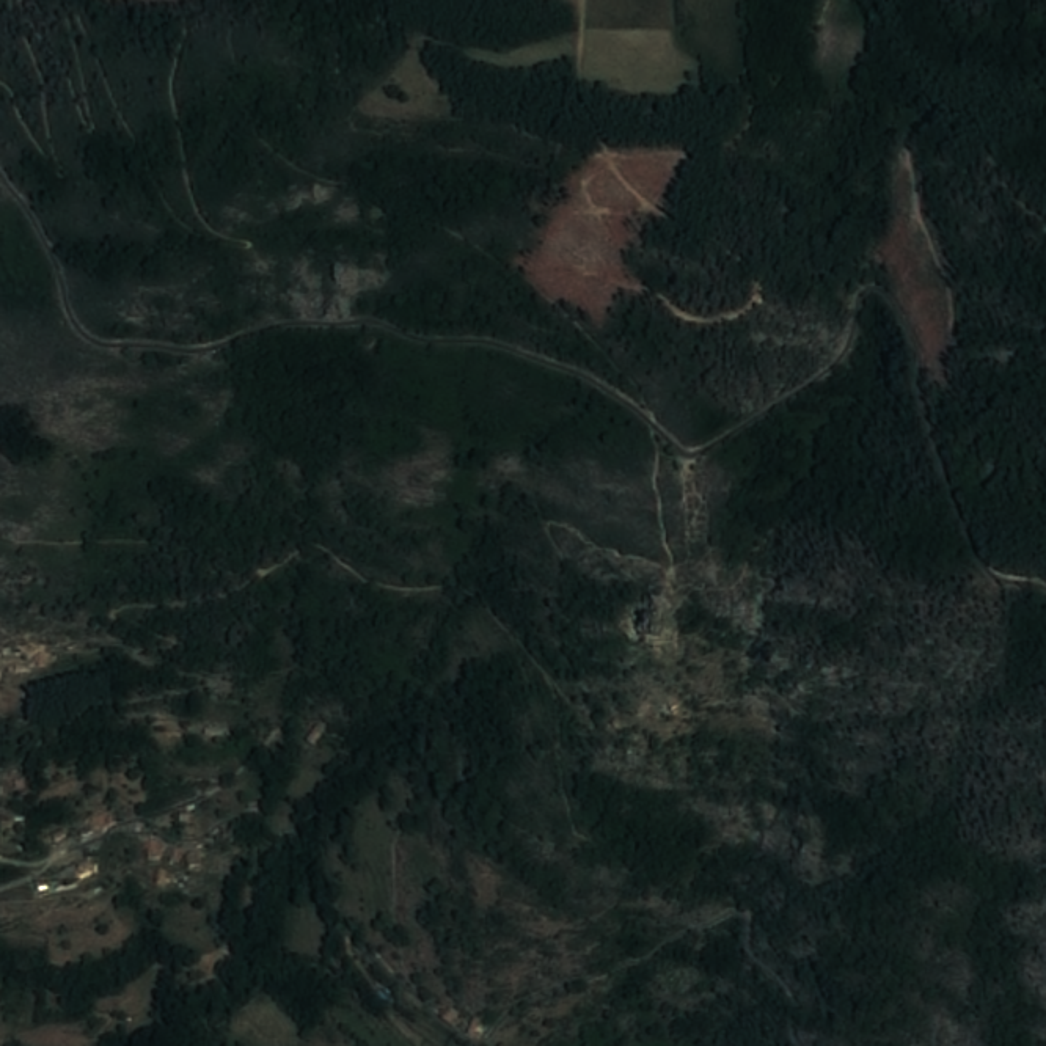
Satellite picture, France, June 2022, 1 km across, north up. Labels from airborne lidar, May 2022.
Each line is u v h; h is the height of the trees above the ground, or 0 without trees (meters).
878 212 26
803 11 18
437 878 8
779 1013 13
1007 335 9
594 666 6
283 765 33
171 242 8
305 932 0
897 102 33
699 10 0
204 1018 9
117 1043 14
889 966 8
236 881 17
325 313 6
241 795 11
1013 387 12
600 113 25
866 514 16
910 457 14
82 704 29
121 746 18
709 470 0
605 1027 12
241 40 0
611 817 18
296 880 25
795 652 11
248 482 9
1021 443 15
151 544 15
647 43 0
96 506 11
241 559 16
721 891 11
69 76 9
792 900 9
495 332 6
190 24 11
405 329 15
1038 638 17
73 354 0
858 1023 10
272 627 10
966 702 13
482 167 13
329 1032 0
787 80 17
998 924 12
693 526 0
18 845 9
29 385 0
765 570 11
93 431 0
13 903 0
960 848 12
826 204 26
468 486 0
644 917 11
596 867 6
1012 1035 11
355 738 10
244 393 14
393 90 11
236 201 0
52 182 8
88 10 15
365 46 9
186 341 10
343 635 13
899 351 29
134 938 10
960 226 8
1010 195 11
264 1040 0
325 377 20
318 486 10
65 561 0
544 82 19
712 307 7
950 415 16
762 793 20
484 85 19
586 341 7
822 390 15
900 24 27
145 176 9
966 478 12
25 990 10
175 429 0
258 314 12
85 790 7
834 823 10
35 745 11
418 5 23
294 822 16
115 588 10
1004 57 20
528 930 0
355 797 19
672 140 27
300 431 18
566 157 0
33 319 0
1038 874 8
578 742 9
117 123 11
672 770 9
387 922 13
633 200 0
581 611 11
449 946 13
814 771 15
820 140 8
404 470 0
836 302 14
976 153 28
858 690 13
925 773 8
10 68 6
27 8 8
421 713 29
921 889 11
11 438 13
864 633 7
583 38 0
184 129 7
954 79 26
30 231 0
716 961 12
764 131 10
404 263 8
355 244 7
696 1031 20
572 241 0
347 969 13
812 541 15
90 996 13
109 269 6
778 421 16
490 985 6
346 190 7
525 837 6
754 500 13
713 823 13
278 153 7
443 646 9
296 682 11
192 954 16
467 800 12
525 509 6
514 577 15
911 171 0
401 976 7
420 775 8
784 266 27
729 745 18
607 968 10
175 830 6
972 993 13
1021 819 7
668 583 0
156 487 17
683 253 23
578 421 7
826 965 7
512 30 23
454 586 14
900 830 7
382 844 0
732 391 9
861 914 8
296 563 11
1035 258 9
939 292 0
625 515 0
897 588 8
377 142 6
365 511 10
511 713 6
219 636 18
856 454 26
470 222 0
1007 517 18
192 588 16
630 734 6
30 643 0
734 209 24
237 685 9
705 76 10
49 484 0
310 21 8
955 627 11
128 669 19
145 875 0
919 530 17
